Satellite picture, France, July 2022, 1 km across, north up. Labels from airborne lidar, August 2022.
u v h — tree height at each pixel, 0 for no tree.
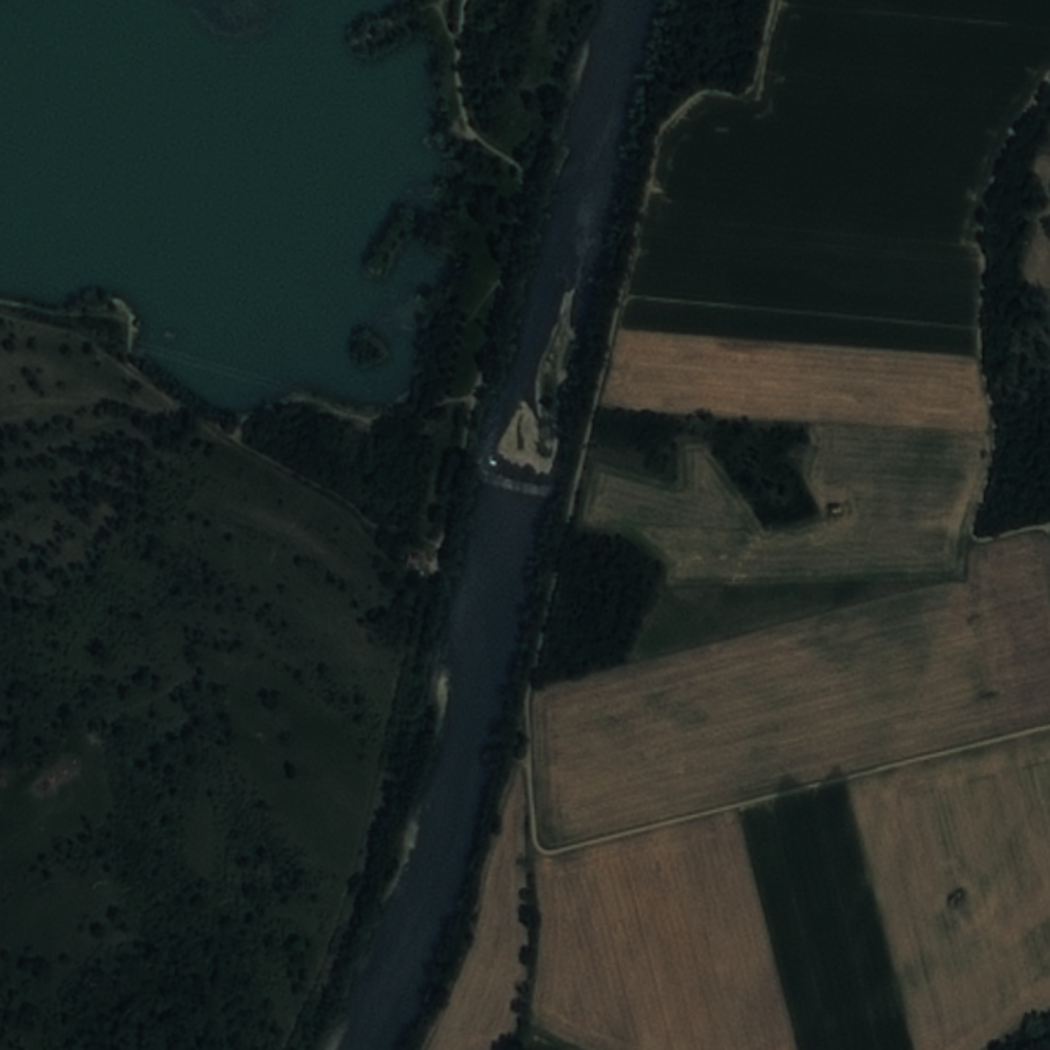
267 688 0
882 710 0
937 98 0
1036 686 0
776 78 0
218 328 0
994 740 0
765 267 0
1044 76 0
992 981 0
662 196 0
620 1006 0
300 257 0
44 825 0
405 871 0
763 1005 0
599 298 26
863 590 0
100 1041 15
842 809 0
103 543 17
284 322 0
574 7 13
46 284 0
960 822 0
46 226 0
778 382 0
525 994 17
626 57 0
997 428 9
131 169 0
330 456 20
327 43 0
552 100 24
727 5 15
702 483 0
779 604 0
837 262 0
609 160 0
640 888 0
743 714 0
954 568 0
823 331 0
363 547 0
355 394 0
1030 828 0
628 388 0
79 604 8
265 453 12
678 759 0
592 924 0
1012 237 12
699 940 0
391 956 0
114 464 22
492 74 15
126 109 0
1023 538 0
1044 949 0
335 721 0
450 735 0
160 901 7
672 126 0
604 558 8
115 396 0
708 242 0
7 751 8
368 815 0
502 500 0
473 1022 0
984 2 0
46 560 21
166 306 0
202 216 0
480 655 0
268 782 0
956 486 0
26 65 0
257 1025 5
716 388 0
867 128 0
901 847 0
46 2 0
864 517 0
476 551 0
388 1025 0
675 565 0
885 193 0
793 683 0
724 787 0
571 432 23
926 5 0
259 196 0
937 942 0
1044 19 0
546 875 0
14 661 6
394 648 14
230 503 0
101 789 0
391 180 0
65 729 10
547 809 0
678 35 23
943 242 0
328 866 0
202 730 18
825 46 0
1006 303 10
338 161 0
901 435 0
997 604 0
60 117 0
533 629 15
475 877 10
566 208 0
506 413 0
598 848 0
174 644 0
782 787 0
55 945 0
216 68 0
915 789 0
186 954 14
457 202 13
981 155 0
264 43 0
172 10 0
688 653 0
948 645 0
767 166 0
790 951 0
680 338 0
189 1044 8
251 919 17
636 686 0
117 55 0
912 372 0
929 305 0
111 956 5
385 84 0
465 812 0
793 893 0
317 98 0
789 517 7
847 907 0
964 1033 0
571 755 0
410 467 12
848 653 0
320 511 0
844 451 0
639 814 0
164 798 10
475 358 0
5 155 0
